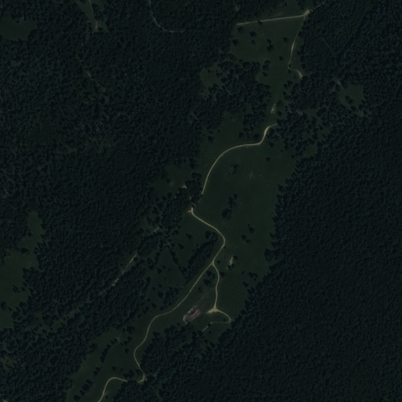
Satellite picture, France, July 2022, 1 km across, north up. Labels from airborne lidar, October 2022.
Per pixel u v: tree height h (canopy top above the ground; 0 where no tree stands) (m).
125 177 13
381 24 26
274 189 0
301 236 16
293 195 12
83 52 9
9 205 24
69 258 17
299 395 27
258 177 0
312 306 21
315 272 19
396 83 22
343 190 23
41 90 21
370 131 18
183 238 0
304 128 23
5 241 17
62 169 14
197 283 0
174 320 0
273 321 16
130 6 23
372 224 25
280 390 16
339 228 18
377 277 17
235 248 0
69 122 24
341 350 21
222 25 11
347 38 14
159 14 10
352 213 17
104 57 17
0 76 28
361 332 19
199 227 0
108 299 18
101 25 0
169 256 0
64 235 19
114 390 0
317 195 21
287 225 20
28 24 0
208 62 19
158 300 0
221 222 0
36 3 14
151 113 9
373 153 21
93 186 11
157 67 12
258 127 7
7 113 23
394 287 17
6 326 0
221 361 25
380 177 21
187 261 0
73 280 17
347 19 21
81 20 15
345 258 17
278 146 0
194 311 0
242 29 16
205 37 8
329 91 18
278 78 0
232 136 0
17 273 0
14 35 0
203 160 0
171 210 22
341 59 23
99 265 14
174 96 19
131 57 6
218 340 0
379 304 23
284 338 23
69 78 22
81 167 11
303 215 23
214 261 0
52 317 6
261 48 0
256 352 18
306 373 22
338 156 21
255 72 19
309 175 15
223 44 14
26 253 23
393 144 21
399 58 11
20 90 30
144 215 30
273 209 0
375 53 15
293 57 0
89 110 26
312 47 13
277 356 21
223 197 0
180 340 22
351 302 17
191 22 10
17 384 28
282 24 0
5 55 20
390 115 22
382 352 23
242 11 12
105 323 10
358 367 21
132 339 15
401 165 20
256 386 16
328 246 20
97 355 0
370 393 27
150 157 10
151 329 0
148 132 29
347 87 22
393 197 17
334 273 20
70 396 0
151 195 21
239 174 0
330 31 12
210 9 8
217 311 0
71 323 20
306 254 21
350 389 18
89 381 0
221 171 0
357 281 22
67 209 18
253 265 0
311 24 16
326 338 18
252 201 0
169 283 0
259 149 0
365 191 17
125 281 15
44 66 28
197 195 24
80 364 28
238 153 0
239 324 23
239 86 27
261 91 22
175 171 0
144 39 6
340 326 22
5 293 0
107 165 13
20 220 20
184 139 15
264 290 25
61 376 29
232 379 20
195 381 20
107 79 6
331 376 18
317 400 22
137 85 27
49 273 20
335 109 14
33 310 23
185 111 12
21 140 17
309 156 0
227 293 0
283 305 22
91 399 0
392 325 24
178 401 21
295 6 0
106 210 9
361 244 17
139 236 19
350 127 22
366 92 12
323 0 20
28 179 17
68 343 26
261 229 0
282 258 22
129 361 0
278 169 0
